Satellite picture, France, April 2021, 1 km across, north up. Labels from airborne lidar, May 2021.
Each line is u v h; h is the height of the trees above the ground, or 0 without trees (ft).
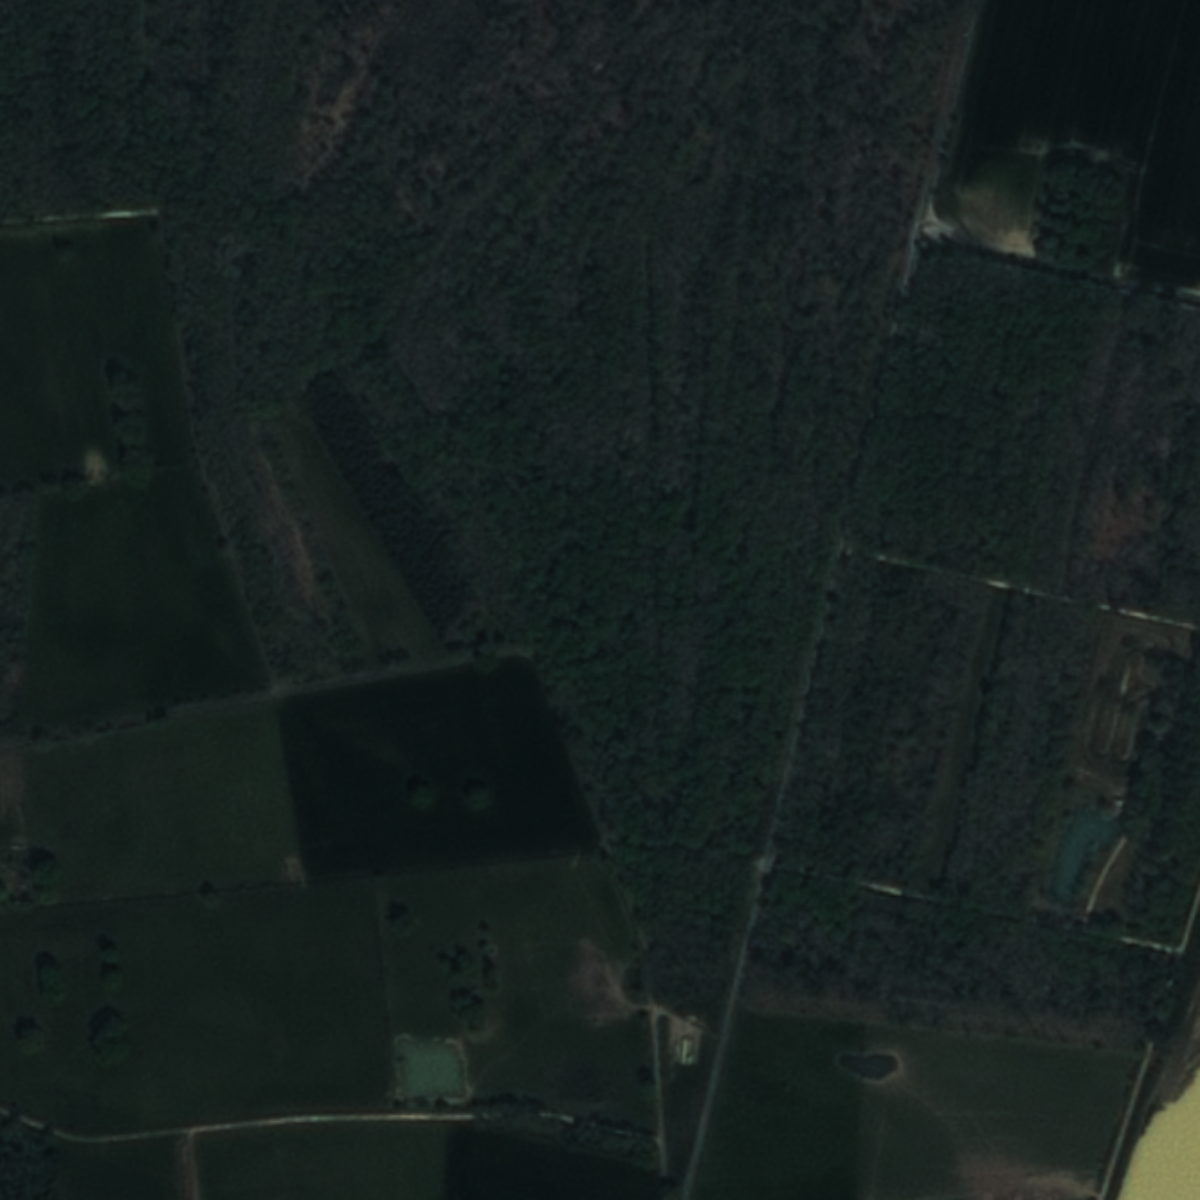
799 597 58
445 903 0
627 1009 0
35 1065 0
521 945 0
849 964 55
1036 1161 0
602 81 31
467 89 29
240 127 60
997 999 55
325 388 46
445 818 0
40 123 73
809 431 61
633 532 60
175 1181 0
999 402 71
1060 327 59
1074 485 46
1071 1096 0
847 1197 0
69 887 0
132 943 0
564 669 59
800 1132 0
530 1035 0
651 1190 0
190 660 0
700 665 56
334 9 60
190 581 0
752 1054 0
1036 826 62
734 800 73
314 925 0
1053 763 54
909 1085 0
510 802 0
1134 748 0
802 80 88
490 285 63
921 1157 0
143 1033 0
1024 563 66
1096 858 19
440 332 44
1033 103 0
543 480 70
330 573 42
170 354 0
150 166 63
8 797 0
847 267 55
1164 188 0
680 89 37
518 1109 46
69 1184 0
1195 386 42
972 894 66
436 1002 0
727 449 67
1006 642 49
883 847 35
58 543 0
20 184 63
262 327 70
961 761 0
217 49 81
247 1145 0
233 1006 0
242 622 0
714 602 56
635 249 61
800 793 64
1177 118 0
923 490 72
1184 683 69
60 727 0
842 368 48
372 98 39
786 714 70
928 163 26
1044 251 42
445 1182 0
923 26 55
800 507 48
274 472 52
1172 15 0
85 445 0
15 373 0
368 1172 0
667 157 51
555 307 76
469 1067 0
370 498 50
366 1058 0
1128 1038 53
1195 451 44
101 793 0
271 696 0
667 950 52
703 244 58
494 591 51
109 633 0
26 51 77
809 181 46
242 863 0
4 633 23
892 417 56
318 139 31
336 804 0
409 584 43
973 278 64
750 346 68
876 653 43
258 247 67
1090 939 52
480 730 0
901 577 42
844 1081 0
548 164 52
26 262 0
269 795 0
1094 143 0
